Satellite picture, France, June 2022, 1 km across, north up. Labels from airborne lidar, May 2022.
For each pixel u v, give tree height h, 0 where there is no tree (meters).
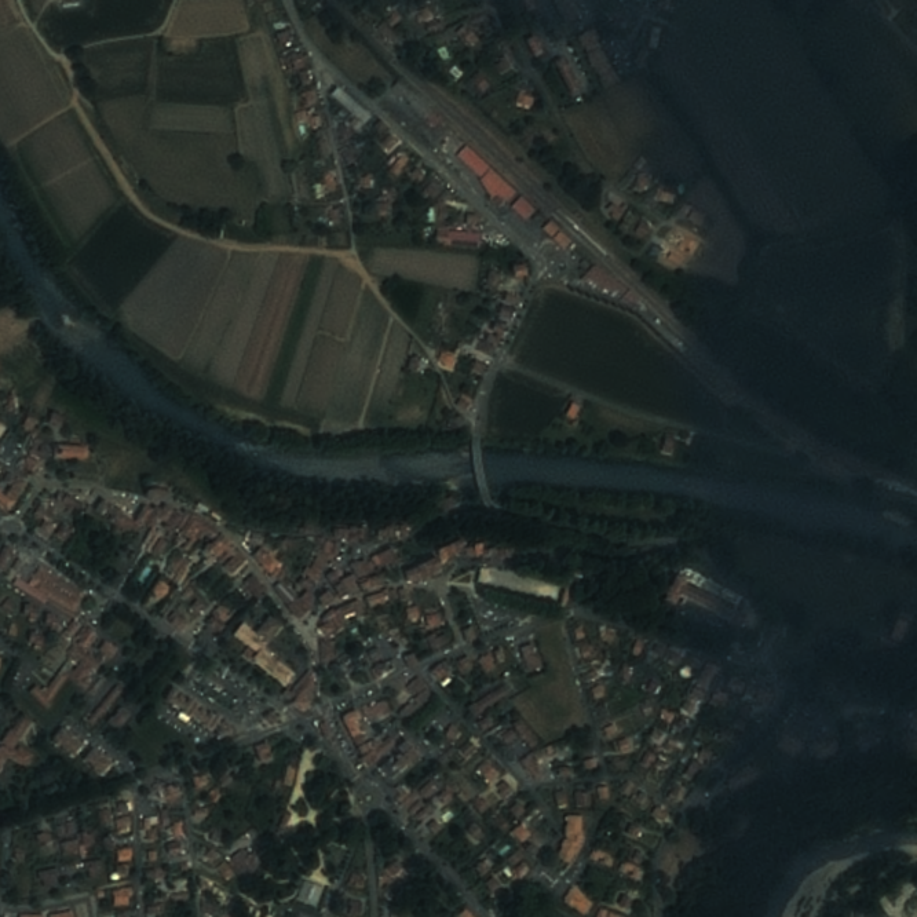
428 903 29
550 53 0
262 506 11
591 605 17
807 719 6
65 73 0
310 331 0
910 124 0
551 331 0
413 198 17
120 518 0
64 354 25
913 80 0
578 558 26
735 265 0
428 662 0
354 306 0
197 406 7
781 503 0
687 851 0
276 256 0
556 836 16
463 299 9
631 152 0
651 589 25
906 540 0
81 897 0
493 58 9
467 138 0
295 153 0
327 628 0
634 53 7
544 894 18
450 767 8
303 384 0
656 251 0
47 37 0
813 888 0
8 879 19
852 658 21
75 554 12
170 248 0
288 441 23
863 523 0
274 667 0
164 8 0
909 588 0
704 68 0
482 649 15
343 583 0
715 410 0
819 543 23
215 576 11
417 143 0
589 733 12
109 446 0
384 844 28
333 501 21
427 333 0
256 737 0
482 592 25
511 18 22
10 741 0
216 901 7
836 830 27
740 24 0
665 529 17
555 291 0
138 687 20
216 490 14
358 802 0
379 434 15
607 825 6
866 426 0
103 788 19
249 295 0
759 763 0
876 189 0
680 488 0
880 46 0
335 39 10
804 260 0
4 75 0
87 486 0
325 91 0
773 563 0
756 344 0
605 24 8
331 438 16
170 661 16
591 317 0
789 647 0
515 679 0
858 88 0
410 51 18
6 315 0
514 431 0
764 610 32
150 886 11
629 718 0
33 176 0
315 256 0
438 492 24
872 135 0
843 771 20
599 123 0
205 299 0
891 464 9
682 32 0
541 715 0
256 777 11
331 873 17
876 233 0
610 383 0
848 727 8
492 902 8
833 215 0
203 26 0
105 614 9
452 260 0
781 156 0
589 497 19
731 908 9
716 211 0
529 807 8
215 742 17
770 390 7
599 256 0
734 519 29
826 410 0
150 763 0
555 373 0
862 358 0
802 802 7
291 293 0
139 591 12
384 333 0
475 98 10
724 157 0
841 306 0
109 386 18
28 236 24
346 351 0
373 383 0
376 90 9
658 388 0
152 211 0
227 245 0
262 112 0
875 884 20
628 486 0
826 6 15
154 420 19
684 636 32
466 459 0
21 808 16
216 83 0
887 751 27
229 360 0
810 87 0
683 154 0
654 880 15
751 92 0
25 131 0
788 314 0
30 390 0
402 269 0
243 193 0
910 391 0
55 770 21
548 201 0
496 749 8
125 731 18
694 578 0
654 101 0
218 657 6
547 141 13
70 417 0
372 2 15
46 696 0
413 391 0
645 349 0
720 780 21
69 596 0
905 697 29
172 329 0
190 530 0
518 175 0
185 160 0
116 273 0
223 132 0
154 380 12
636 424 0
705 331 13
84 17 0
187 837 0
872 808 9
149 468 0
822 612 0
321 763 13
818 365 9
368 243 0
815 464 0
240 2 0
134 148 0
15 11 0
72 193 0
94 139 0
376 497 23
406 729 19
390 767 0
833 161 0
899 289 0
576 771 11
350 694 0
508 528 15
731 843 24
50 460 8
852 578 0
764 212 0
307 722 0
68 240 0
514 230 0
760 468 0
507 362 0
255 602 10
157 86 0
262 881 16
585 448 7
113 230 0
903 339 0
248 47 0
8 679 8
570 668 0
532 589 0
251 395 0
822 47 0
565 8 0
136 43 0
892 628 8
